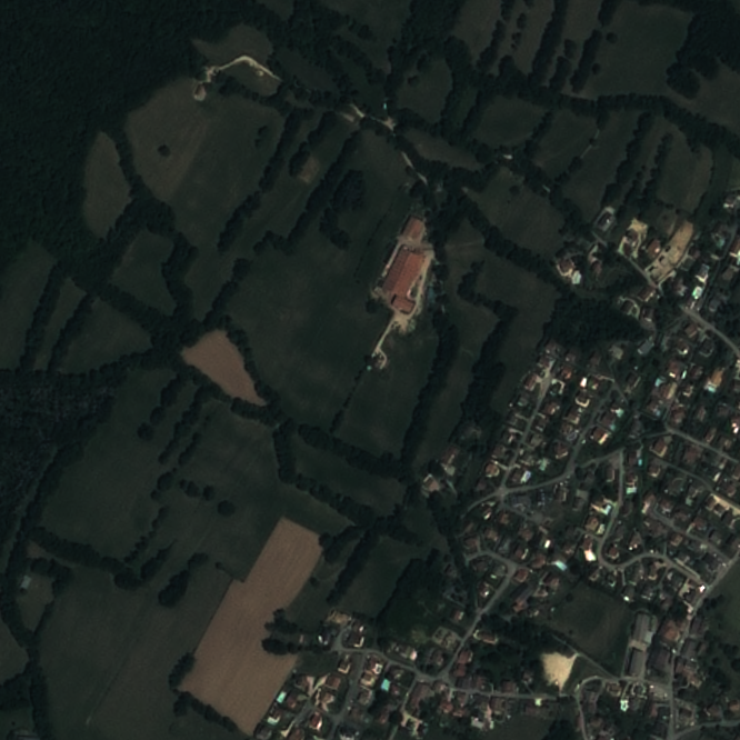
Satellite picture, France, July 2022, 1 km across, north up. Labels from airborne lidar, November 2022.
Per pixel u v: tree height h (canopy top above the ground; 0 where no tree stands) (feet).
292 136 48
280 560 0
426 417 60
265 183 40
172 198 0
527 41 0
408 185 0
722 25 68
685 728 0
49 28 30
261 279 0
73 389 49
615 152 0
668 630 0
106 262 62
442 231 28
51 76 42
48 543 53
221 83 51
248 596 0
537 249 0
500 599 0
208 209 0
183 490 42
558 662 0
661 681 0
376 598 0
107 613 0
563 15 51
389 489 0
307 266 0
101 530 0
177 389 55
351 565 48
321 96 59
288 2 0
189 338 41
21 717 0
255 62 0
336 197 47
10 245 46
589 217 0
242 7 50
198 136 0
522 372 0
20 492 42
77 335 49
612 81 0
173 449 36
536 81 59
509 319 49
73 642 0
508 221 0
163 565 33
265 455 0
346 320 0
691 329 0
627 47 0
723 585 0
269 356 0
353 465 51
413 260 0
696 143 57
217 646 0
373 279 0
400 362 0
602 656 0
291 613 0
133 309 59
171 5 33
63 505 0
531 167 67
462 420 24
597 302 31
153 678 0
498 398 0
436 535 0
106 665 0
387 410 0
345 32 0
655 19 0
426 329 0
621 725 26
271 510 0
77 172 46
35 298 0
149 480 0
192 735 0
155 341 44
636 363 42
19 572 54
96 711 0
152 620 0
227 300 50
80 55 45
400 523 41
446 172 51
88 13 49
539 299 0
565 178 37
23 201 43
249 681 0
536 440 0
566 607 0
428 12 75
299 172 59
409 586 40
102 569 42
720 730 31
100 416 74
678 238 0
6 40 51
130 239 54
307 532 0
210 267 0
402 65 52
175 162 0
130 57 48
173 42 45
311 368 0
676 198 0
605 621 0
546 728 0
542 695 0
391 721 40
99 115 55
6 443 61
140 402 0
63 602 0
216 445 0
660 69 0
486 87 68
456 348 72
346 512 58
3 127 45
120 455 0
